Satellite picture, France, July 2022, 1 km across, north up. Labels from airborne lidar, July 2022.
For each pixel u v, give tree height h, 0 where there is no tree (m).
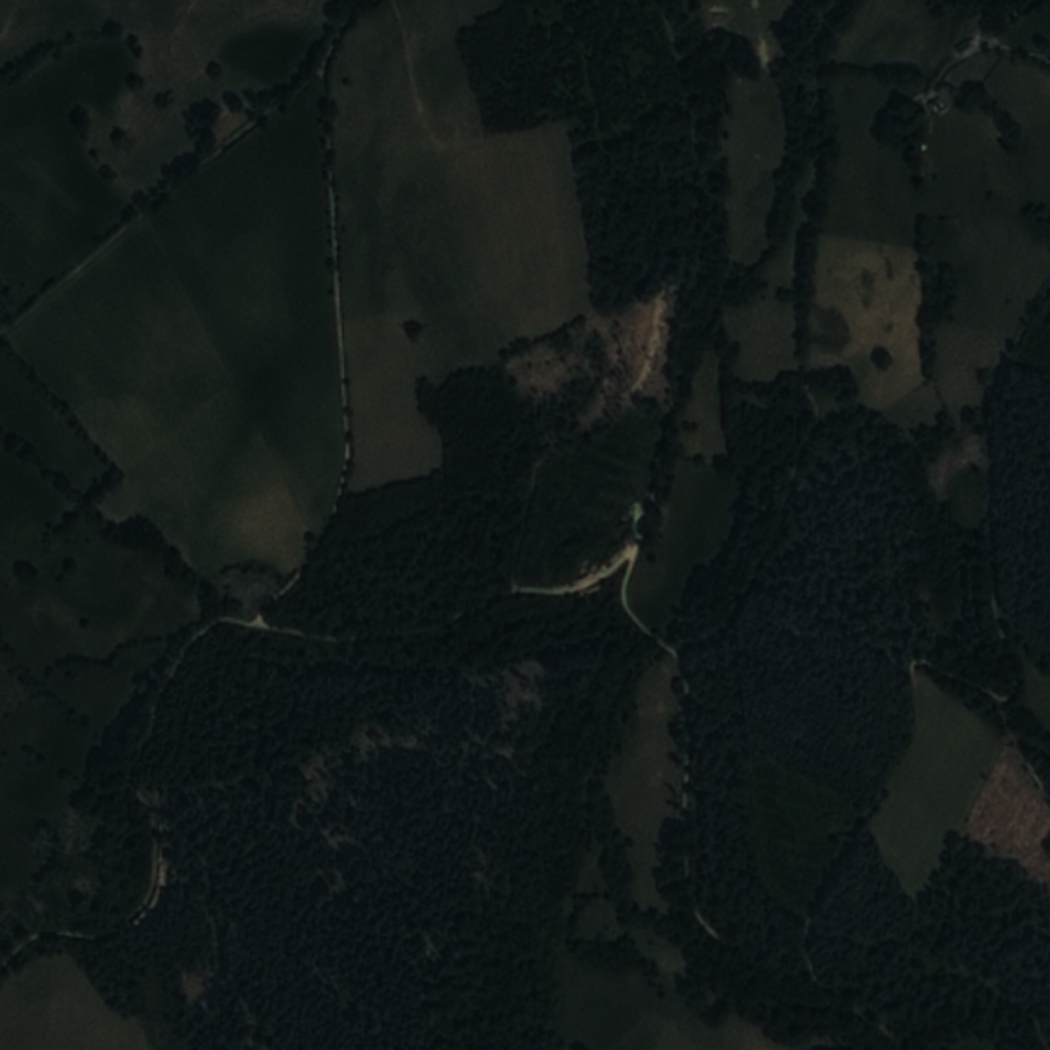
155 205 10
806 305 15
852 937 9
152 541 19
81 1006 0
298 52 0
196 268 0
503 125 9
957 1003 18
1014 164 0
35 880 12
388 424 0
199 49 0
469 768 17
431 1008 17
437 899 29
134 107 0
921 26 0
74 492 7
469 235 0
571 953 10
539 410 8
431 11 0
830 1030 10
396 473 0
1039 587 22
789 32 23
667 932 13
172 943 23
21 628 0
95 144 0
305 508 0
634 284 17
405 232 0
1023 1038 26
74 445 0
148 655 0
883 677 20
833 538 26
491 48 7
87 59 0
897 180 0
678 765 18
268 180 0
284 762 15
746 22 0
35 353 0
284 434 0
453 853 28
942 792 0
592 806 14
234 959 23
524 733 13
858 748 18
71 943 9
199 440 0
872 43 0
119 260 0
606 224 19
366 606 16
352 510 10
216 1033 25
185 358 0
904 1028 21
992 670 17
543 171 0
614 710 11
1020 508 27
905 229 0
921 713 0
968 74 0
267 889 27
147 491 0
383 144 0
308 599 14
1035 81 0
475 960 21
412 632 6
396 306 0
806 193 0
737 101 0
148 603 0
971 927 16
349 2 16
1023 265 0
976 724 0
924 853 0
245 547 0
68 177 0
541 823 23
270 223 0
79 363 0
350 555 8
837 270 0
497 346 0
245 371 0
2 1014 0
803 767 21
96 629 0
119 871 20
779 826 0
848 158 0
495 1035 27
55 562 0
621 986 0
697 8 16
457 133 0
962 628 14
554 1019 22
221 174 0
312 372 0
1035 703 0
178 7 0
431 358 0
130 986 17
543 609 10
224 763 17
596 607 7
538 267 0
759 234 0
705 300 26
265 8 0
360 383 0
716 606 23
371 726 10
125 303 0
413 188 0
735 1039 0
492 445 12
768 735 23
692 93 6
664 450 22
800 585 9
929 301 13
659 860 6
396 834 27
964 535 10
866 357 0
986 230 0
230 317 0
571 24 9
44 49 14
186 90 0
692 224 24
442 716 16
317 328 0
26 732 0
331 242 6
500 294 0
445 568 9
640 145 21
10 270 0
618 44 9
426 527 13
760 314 0
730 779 12
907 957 12
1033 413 25
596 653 26
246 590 0
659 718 0
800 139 17
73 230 0
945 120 0
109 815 24
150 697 19
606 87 10
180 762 7
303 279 0
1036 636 23
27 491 0
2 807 0
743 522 21
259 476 0
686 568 0
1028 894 13
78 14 0
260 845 25
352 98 0
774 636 21
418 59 0
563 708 17
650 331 0
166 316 0
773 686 20
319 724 16
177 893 24
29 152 0
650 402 21
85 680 0
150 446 0
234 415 0
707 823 21
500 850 19
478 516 19
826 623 24
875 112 0
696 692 8
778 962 19
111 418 0
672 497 16
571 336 18
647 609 0
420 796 26
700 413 0
